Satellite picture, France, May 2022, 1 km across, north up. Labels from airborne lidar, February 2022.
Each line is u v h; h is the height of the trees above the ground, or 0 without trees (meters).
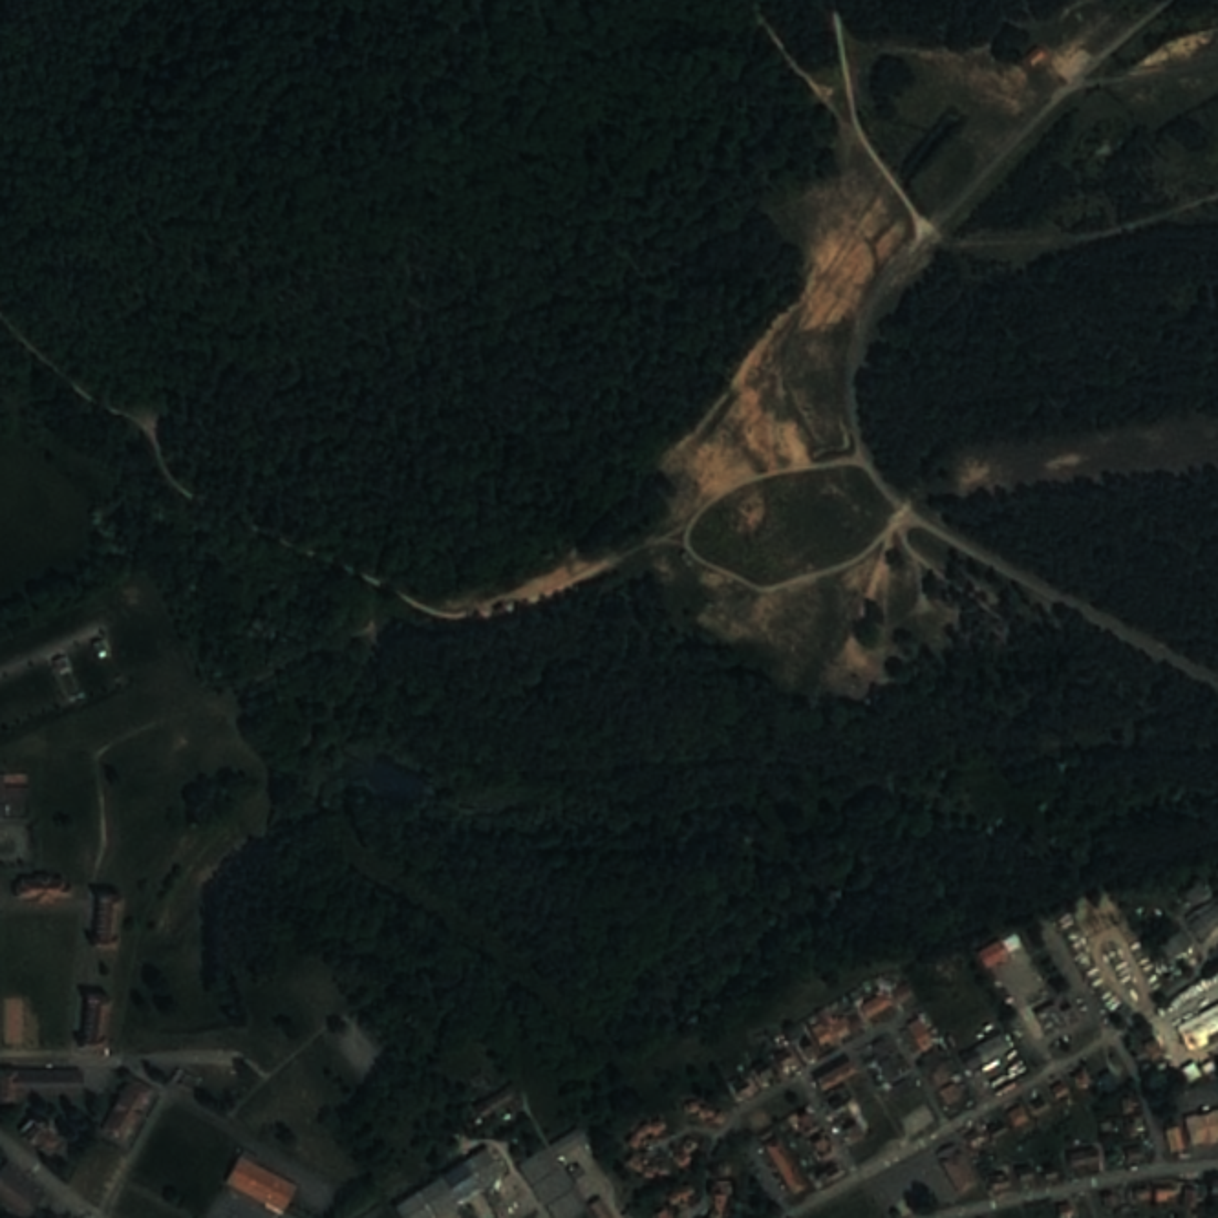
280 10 23
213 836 0
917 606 0
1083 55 0
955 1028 0
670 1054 0
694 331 17
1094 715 17
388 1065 17
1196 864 18
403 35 18
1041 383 16
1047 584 11
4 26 29
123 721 0
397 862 17
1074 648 21
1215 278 12
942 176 0
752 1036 0
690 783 24
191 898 0
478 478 21
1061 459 0
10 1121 15
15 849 0
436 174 18
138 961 0
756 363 0
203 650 11
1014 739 17
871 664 0
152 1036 0
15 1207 0
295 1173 0
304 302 26
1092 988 0
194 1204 0
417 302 26
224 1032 0
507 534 20
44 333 24
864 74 0
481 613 0
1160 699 17
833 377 0
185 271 22
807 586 0
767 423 0
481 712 20
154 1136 0
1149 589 23
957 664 22
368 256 28
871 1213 0
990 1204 0
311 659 18
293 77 27
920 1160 0
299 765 12
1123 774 20
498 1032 22
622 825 12
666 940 23
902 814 22
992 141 0
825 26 12
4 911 0
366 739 6
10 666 0
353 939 18
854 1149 0
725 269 12
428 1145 9
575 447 17
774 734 26
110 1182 0
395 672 14
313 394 24
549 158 25
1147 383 11
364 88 23
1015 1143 0
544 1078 0
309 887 24
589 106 24
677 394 17
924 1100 0
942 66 0
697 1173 11
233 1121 0
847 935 17
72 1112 25
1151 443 0
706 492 0
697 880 27
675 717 19
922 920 22
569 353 17
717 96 24
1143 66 0
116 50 25
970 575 16
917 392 17
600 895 27
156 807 0
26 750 0
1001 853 20
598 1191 0
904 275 0
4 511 0
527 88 25
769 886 18
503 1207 0
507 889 26
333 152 21
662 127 24
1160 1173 0
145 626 0
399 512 17
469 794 8
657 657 19
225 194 24
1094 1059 0
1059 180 7
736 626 0
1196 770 21
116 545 7
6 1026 0
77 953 0
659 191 25
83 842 0
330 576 24
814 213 0
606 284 13
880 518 0
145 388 28
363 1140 10
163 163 23
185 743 0
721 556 0
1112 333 14
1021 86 0
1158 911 0
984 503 18
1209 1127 0
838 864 19
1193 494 17
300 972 0
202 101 26
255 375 27
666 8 22
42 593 16
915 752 20
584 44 22
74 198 28
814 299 0
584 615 18
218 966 23
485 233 22
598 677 26
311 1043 0
